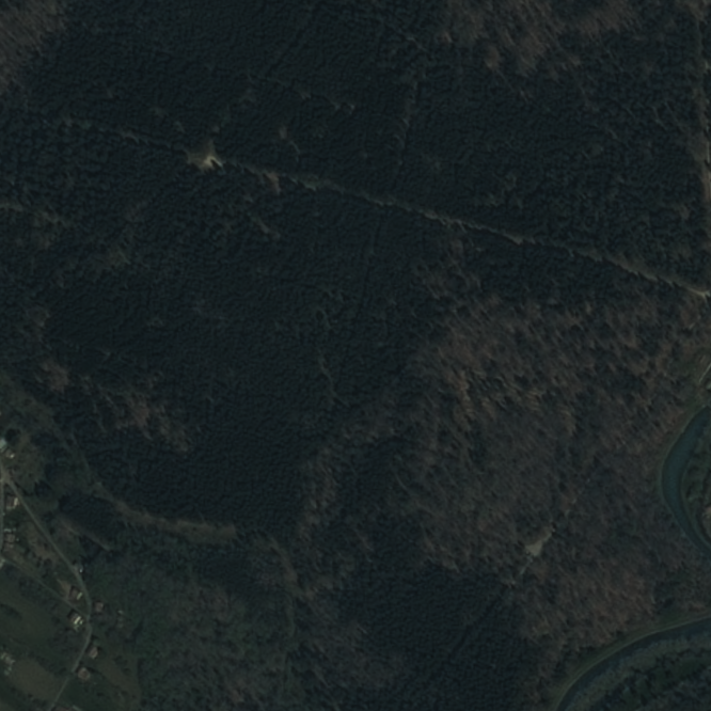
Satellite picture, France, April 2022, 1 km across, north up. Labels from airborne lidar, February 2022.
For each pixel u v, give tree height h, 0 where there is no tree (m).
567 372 25
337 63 22
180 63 21
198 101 23
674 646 18
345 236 19
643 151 34
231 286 28
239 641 31
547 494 26
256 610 27
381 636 22
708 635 23
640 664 29
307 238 25
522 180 16
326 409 24
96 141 12
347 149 19
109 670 0
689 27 30
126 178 18
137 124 19
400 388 21
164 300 18
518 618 22
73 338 14
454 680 26
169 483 26
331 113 20
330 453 25
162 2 28
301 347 27
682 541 21
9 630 0
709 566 23
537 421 27
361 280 22
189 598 28
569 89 24
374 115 20
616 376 18
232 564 26
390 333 25
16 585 19
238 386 17
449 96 27
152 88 19
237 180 26
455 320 26
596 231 30
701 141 29
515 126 23
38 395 26
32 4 28
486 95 25
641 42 23
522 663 23
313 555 24
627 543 23
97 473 26
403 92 19
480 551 20
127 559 27
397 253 22
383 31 23
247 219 14
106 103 18
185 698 28
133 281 14
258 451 27
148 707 20
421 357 25
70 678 7
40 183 34
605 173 21
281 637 23
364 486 20
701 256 18
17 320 30
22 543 0
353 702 23
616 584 21
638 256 25
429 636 29
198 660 32
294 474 26
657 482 11
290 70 23
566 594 28
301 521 29
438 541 28
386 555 30
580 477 15
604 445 27
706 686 25
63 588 0
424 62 29
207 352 23
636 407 25
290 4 21
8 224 10
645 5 25
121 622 6
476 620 23
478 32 24
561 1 23
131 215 21
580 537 10
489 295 25
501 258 23
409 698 27
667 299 25
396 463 25
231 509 24
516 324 27
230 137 16
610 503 27
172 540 29
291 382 29
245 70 21
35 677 0
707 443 24
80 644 12
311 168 16
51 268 10
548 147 22
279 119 19
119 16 29
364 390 21
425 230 21
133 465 26
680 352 21
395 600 28
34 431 26
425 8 8
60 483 25
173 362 19
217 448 25
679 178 29
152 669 33
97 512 27
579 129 29
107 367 20
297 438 29
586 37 23
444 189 25
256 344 25
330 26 24
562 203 33
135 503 26
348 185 22
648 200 30
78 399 17
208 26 24
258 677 36
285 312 27
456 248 20
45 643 0
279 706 29
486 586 27
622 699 20
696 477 18
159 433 18
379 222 26
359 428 29
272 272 15
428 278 21
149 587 30
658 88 29
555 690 28
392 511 23
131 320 13
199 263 26
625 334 29
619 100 23
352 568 26
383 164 21
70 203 18
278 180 0
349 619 26
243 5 27
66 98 20
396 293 17
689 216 27
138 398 17
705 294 0
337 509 22
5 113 28
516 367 26
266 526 27
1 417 0
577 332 16
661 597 23
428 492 27
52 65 24
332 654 21
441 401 28
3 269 29
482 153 16
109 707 0
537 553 0
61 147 10
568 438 30
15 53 28
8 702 0
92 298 12
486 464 27
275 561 22
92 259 28
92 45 26
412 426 27
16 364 27
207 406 24
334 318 27
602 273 27
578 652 30
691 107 30
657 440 31
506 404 0
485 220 17
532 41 23
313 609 22
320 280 27
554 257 27
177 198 24
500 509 27
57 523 24
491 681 25
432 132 26
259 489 25
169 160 24
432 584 25
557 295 27
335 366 27
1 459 0
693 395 28
